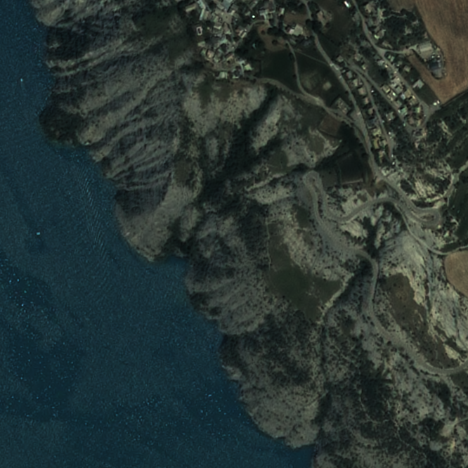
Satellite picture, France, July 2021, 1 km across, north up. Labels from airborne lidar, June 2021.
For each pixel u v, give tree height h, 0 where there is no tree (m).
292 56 9
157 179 0
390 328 0
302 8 11
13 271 0
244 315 0
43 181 0
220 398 0
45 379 0
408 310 0
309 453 0
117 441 0
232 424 0
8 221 0
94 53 0
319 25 8
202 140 5
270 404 0
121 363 0
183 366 0
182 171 0
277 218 0
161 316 0
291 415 0
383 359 0
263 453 0
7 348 0
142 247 0
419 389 0
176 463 0
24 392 0
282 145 0
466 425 0
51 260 0
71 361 0
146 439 0
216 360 0
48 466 0
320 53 0
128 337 0
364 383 6
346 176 0
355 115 0
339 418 7
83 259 0
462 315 0
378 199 0
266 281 0
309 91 0
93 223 0
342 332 0
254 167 0
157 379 0
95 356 0
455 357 0
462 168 0
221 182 7
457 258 0
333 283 0
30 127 0
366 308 0
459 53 0
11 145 0
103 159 6
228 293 0
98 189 0
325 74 0
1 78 0
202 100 0
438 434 0
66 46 10
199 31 0
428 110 0
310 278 0
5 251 0
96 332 0
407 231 0
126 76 0
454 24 0
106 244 0
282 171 0
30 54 0
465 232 0
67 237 0
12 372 0
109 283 0
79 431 0
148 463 0
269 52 0
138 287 0
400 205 0
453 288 0
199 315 0
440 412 0
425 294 0
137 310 0
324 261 0
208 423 0
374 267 0
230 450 0
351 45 0
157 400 0
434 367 0
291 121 0
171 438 0
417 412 0
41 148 0
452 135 0
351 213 0
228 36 10
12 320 0
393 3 0
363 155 8
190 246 7
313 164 0
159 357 0
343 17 0
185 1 9
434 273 0
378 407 6
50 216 0
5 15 0
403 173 0
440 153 6
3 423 0
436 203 0
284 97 0
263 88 0
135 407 0
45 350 0
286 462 0
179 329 0
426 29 0
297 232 0
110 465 0
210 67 0
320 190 0
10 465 0
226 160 6
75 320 0
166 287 0
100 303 0
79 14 0
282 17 9
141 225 0
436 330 0
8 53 0
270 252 0
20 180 0
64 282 0
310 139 0
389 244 0
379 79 0
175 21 0
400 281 0
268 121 0
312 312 0
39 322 0
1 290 0
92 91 0
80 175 0
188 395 0
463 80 0
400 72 8
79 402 0
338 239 0
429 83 0
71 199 0
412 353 0
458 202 0
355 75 6
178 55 0
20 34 0
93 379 0
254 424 0
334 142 0
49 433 0
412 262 0
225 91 0
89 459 0
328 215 0
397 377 0
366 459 0
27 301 0
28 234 0
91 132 0
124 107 0
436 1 0
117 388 0
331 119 0
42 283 0
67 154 0
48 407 0
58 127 7
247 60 7
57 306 0
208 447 0
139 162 0
